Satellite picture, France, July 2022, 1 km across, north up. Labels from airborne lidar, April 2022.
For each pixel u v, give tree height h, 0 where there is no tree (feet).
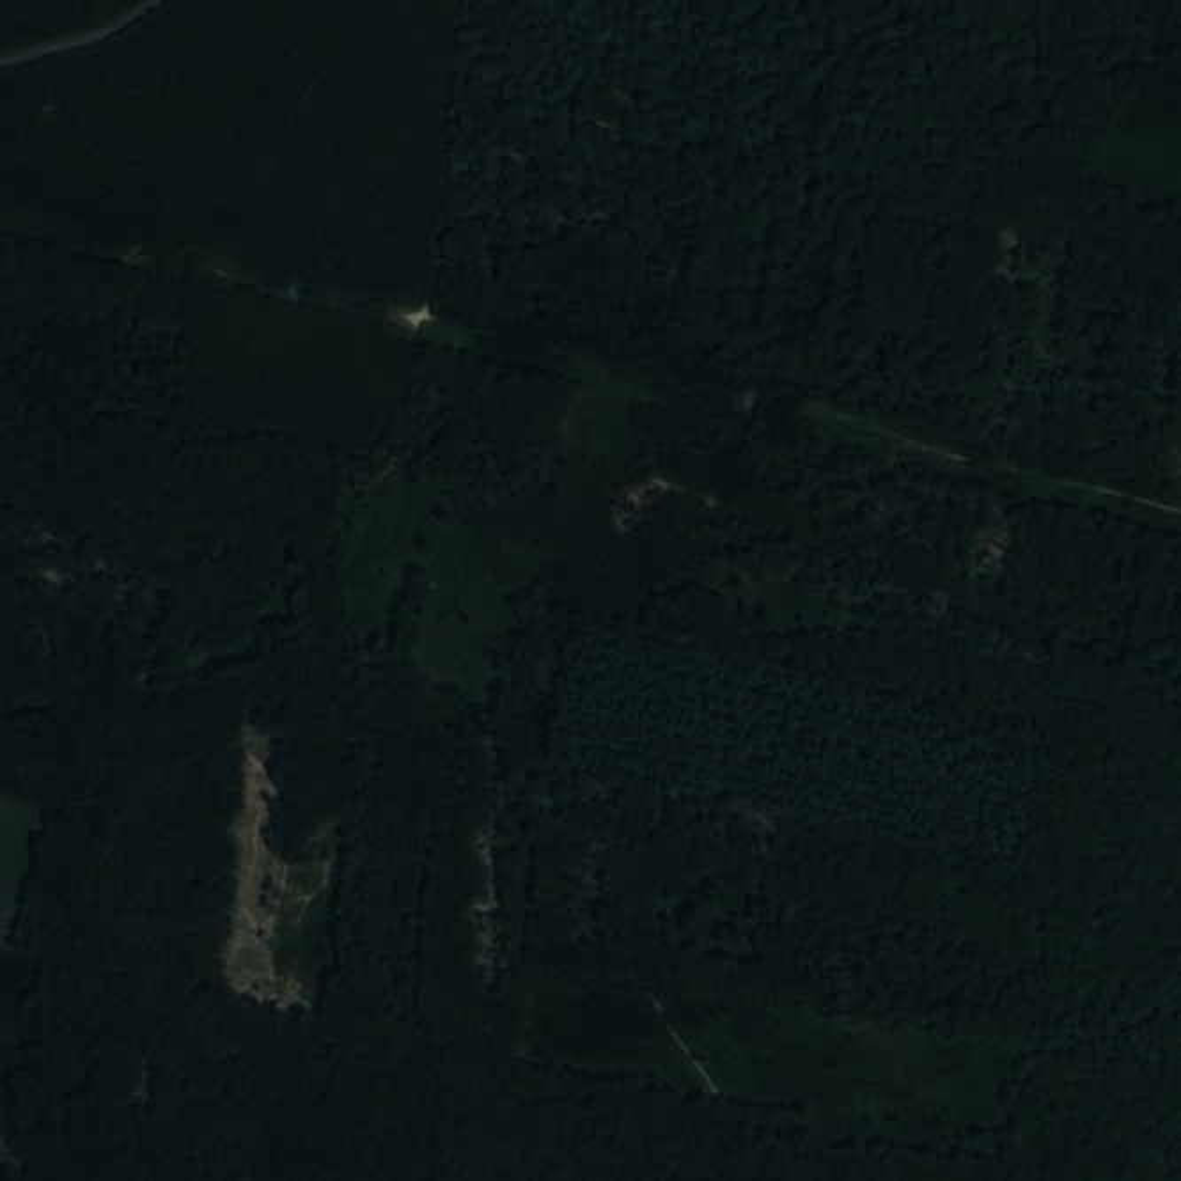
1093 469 86
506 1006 65
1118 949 76
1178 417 72
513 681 100
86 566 95
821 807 79
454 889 82
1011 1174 61
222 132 49
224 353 44
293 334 37
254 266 41
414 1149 80
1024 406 90
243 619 90
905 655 98
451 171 59
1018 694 53
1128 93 83
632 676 84
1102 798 71
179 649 90
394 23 50
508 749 78
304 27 53
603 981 79
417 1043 54
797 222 87
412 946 59
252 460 95
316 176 49
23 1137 53
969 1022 85
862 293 86
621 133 42
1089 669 94
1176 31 39
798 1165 82
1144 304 80
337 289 52
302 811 102
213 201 60
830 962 112
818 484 81
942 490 88
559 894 38
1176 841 65
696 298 87
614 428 0
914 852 80
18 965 32
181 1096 100
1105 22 87
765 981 92
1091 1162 70
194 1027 80
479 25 76
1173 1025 87
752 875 85
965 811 95
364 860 85
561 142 76
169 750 84
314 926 0
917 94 77
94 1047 83
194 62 42
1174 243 98
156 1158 63
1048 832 72
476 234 83
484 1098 70
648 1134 69
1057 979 79
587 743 79
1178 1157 78
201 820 82
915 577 31
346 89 51
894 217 98
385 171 47
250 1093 90
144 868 86
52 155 24
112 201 47
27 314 93
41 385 73
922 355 88
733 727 88
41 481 83
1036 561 79
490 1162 78
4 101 38
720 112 76
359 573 0
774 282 94
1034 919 72
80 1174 62
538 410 85
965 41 66
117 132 36
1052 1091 69
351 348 42
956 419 85
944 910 63
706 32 71
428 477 66
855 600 79
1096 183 59
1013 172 85
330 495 60
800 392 34
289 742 84
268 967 0
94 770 49
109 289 99
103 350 73
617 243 87
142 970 83
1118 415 80
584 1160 61
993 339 91
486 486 89
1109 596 69
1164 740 81
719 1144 53
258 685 93
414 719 97
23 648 92
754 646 92
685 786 88
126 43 34
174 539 94
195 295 46
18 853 0
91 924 77
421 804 101
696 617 94
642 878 101
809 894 79
